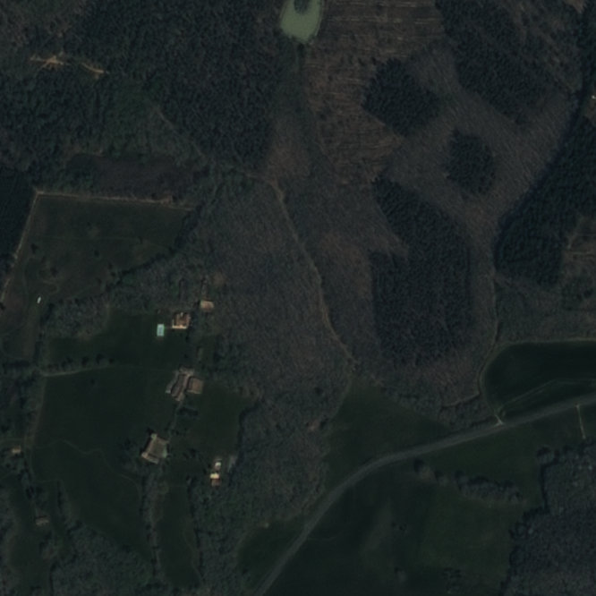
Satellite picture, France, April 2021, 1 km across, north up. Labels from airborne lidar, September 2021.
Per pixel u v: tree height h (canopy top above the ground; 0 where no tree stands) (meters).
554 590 19
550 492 22
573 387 0
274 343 23
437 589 0
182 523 0
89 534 22
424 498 0
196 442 0
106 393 0
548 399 0
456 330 20
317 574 0
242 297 22
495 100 22
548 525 21
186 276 19
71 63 10
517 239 30
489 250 19
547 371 0
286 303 25
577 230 30
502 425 0
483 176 20
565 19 26
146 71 14
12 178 11
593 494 21
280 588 0
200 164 24
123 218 0
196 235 23
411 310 15
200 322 21
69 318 22
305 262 25
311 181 17
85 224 0
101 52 12
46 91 20
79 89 19
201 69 14
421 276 21
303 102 15
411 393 14
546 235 22
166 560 0
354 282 15
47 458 0
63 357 0
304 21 0
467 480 14
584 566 20
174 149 30
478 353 16
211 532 20
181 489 0
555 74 19
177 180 6
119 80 16
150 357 0
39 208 0
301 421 22
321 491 14
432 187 16
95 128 18
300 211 23
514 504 12
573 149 29
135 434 0
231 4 25
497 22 19
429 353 20
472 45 23
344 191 19
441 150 15
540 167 19
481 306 18
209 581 18
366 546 0
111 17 17
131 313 20
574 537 24
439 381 18
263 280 23
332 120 18
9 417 0
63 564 16
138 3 16
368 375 19
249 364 27
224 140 23
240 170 22
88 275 0
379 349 16
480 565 0
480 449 0
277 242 22
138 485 0
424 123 20
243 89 21
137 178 7
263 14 25
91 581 22
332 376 25
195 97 27
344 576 0
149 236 0
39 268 0
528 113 17
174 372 0
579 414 0
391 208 22
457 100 15
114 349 0
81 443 0
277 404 26
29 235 0
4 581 16
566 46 24
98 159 7
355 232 17
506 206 20
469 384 17
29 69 16
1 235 15
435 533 0
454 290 21
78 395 0
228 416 0
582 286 19
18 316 0
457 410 13
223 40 24
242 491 28
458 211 17
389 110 20
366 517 0
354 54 16
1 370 14
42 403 12
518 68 15
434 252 20
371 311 16
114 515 0
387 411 0
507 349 0
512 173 18
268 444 29
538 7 24
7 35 10
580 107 23
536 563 24
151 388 0
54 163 23
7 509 11
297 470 24
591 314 13
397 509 0
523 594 23
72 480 0
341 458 0
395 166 16
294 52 18
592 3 27
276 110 16
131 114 16
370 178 16
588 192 24
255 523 27
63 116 9
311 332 20
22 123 24
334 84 17
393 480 0
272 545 0
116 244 0
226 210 27
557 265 25
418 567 0
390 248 14
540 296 20
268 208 22
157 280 21
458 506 0
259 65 13
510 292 21
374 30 16
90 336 13
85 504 0
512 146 16
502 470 0
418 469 11
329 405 25
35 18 16
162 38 21
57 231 0
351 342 19
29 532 0
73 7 19
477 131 17
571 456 18
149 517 21
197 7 26
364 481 0
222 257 20
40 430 0
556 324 21
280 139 13
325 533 0
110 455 0
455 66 16
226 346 20
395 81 22
